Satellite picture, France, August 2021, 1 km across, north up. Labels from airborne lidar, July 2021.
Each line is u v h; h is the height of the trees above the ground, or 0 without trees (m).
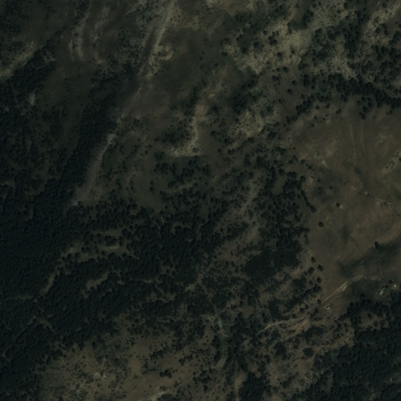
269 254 8
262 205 7
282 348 6
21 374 18
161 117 0
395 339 21
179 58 0
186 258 17
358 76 12
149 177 0
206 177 0
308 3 0
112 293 15
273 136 7
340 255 0
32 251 21
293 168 0
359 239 0
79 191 0
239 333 14
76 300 17
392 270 0
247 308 0
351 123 0
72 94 0
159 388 0
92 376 0
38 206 18
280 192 0
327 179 0
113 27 0
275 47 0
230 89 0
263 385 17
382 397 7
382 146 0
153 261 17
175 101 0
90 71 0
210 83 0
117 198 8
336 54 0
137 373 0
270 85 0
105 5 0
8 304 9
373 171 0
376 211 0
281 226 16
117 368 0
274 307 6
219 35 0
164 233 21
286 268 0
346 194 0
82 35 0
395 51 21
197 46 0
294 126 0
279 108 0
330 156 0
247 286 8
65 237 12
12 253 23
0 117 15
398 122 0
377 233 0
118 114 0
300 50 0
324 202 0
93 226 12
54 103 0
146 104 0
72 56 0
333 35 11
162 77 0
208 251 14
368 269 0
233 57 0
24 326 9
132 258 19
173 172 13
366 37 0
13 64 0
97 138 7
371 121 0
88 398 0
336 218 0
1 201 10
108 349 0
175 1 0
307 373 0
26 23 0
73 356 0
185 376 0
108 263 21
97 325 21
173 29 0
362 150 0
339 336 8
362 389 13
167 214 0
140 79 0
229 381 7
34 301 9
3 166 13
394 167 0
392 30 0
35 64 7
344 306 0
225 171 0
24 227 18
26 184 12
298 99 0
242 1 0
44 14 0
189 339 7
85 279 18
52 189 11
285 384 9
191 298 8
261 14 0
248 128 0
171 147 0
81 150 9
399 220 0
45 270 13
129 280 18
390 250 0
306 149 0
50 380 0
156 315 19
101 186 0
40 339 21
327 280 0
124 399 0
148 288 19
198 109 0
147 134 0
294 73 0
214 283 8
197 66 0
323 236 0
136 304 14
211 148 0
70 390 0
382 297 0
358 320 18
